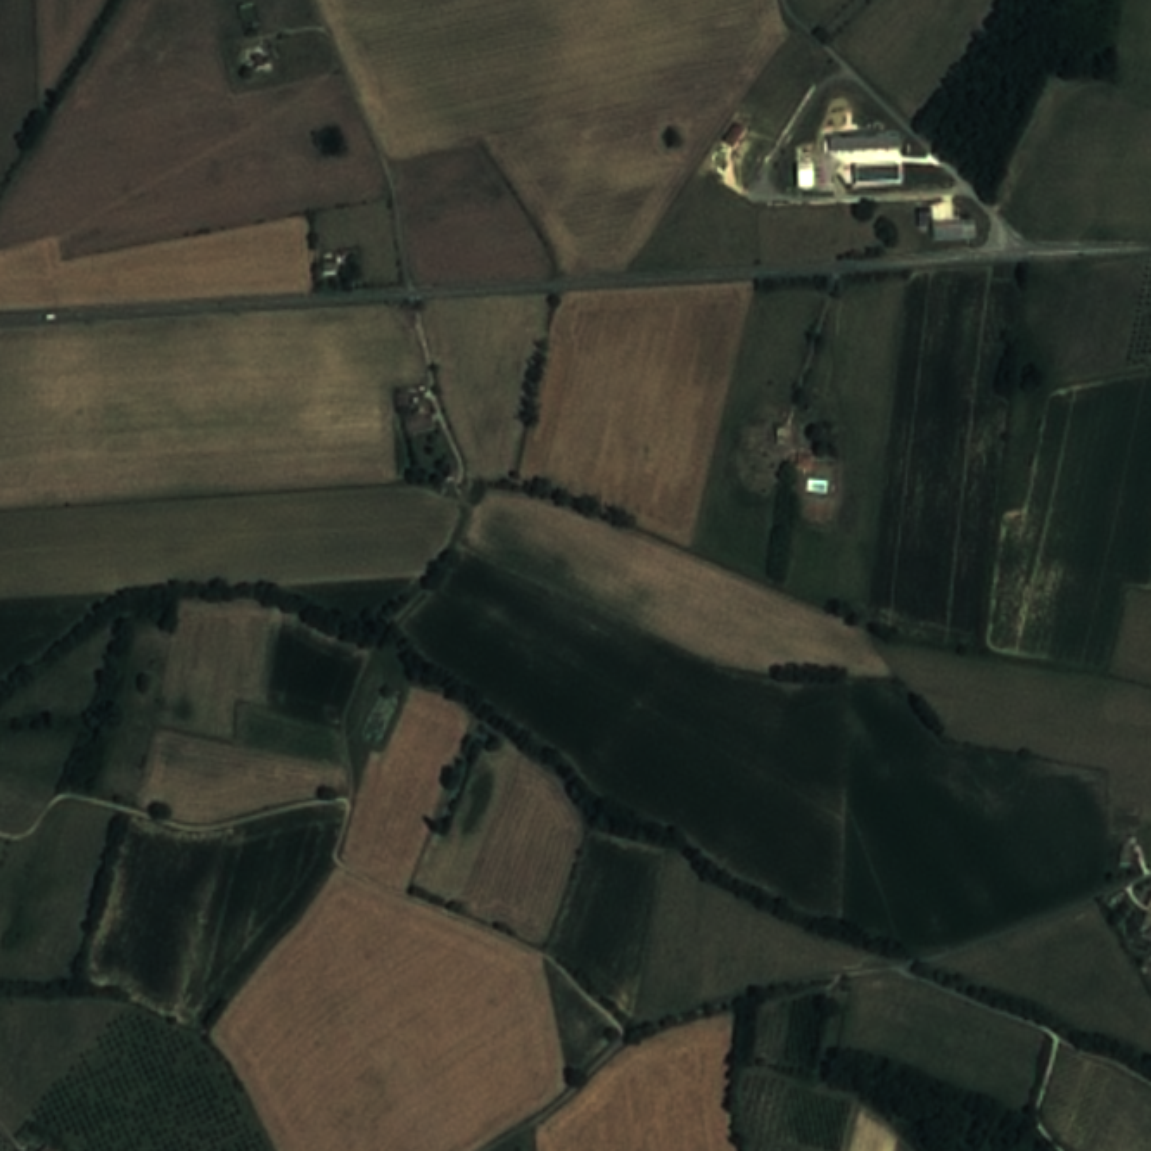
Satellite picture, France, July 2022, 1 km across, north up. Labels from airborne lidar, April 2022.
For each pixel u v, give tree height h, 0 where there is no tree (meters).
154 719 0
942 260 0
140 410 0
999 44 6
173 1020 11
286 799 0
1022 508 0
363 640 14
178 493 0
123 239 0
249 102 0
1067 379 0
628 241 0
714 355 0
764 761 0
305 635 0
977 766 0
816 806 0
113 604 13
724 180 0
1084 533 0
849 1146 0
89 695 0
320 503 0
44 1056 0
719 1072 0
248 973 0
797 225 0
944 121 13
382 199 0
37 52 0
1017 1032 0
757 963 0
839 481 0
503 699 0
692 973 0
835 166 0
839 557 0
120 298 0
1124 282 0
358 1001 0
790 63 0
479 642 0
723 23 0
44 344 0
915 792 0
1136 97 0
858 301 0
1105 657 0
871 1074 8
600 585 0
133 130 0
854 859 0
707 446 0
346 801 0
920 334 0
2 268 0
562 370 0
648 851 0
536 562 0
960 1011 0
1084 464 0
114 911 0
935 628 0
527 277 0
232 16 0
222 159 0
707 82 0
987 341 0
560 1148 0
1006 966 0
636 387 0
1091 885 0
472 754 13
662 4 0
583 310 0
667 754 0
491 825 0
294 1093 0
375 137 0
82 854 0
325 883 0
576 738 0
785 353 0
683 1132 0
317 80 0
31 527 0
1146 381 0
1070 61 21
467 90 0
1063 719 0
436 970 0
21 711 0
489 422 0
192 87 0
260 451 0
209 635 0
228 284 0
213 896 0
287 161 0
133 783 0
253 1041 0
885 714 0
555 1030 0
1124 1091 0
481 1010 0
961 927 0
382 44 0
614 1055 0
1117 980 0
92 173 0
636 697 0
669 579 0
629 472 0
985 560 0
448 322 0
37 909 0
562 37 0
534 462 0
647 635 0
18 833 0
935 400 0
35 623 0
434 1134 0
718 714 0
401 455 0
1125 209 0
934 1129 20
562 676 0
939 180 0
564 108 0
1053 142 0
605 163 0
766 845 0
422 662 11
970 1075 0
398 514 0
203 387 0
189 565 0
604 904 0
